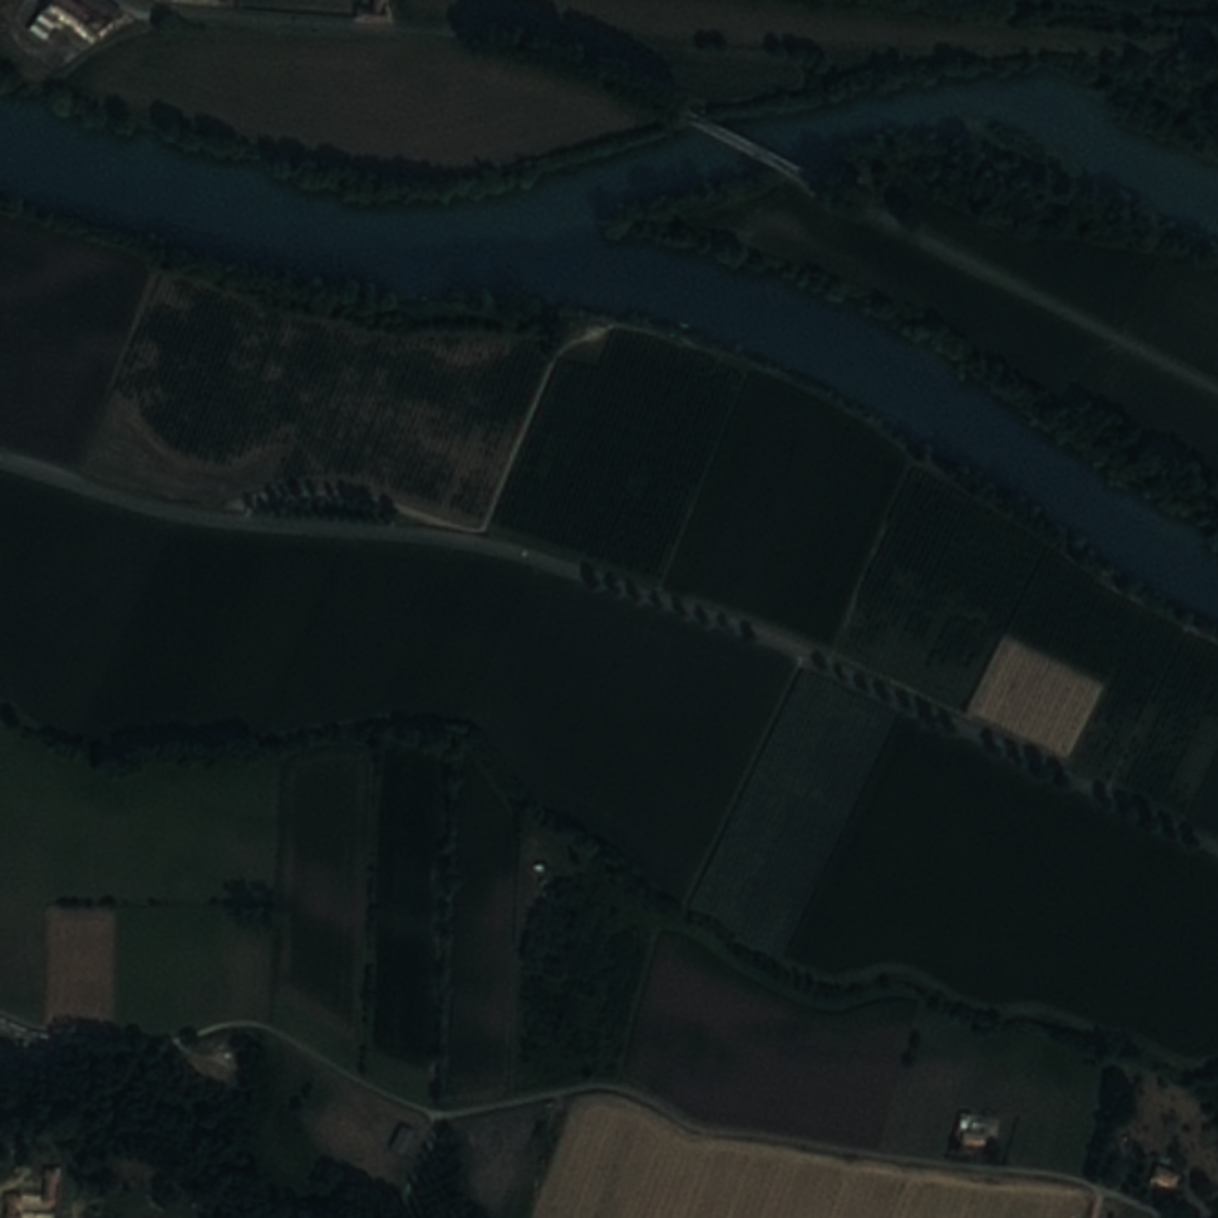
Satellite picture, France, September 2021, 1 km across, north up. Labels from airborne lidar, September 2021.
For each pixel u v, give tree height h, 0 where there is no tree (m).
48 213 15
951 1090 0
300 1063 0
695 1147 0
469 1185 0
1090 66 8
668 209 19
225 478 0
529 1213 0
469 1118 0
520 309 24
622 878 15
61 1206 0
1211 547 10
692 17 0
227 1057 0
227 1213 7
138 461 0
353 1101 0
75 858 0
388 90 0
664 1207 0
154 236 15
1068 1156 0
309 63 0
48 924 0
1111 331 0
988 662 0
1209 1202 6
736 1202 0
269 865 0
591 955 6
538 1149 0
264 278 26
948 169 22
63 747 20
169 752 24
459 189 14
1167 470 35
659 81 41
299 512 14
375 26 0
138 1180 0
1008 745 0
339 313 9
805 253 0
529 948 9
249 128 0
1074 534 9
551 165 7
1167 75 12
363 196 21
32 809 0
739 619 0
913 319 6
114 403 0
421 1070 0
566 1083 0
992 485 13
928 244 0
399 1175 0
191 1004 0
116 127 23
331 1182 11
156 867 0
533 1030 7
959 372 11
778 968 12
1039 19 9
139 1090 11
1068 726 0
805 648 0
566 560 0
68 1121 24
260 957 0
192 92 0
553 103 0
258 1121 0
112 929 0
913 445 17
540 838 0
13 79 13
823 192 39
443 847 11
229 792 0
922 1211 0
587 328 0
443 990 10
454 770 8
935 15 13
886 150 7
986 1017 8
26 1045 0
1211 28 20
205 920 0
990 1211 0
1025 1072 0
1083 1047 13
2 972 0
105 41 0
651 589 0
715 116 16
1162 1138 0
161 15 14
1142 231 29
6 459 0
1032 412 16
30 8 0
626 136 7
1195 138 11
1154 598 13
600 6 0
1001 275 0
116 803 0
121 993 0
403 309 8
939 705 0
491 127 0
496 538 0
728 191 13
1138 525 0
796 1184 0
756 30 0
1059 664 0
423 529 0
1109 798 17
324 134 0
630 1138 0
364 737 10
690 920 7
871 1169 0
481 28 37
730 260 17
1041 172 17
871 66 8
